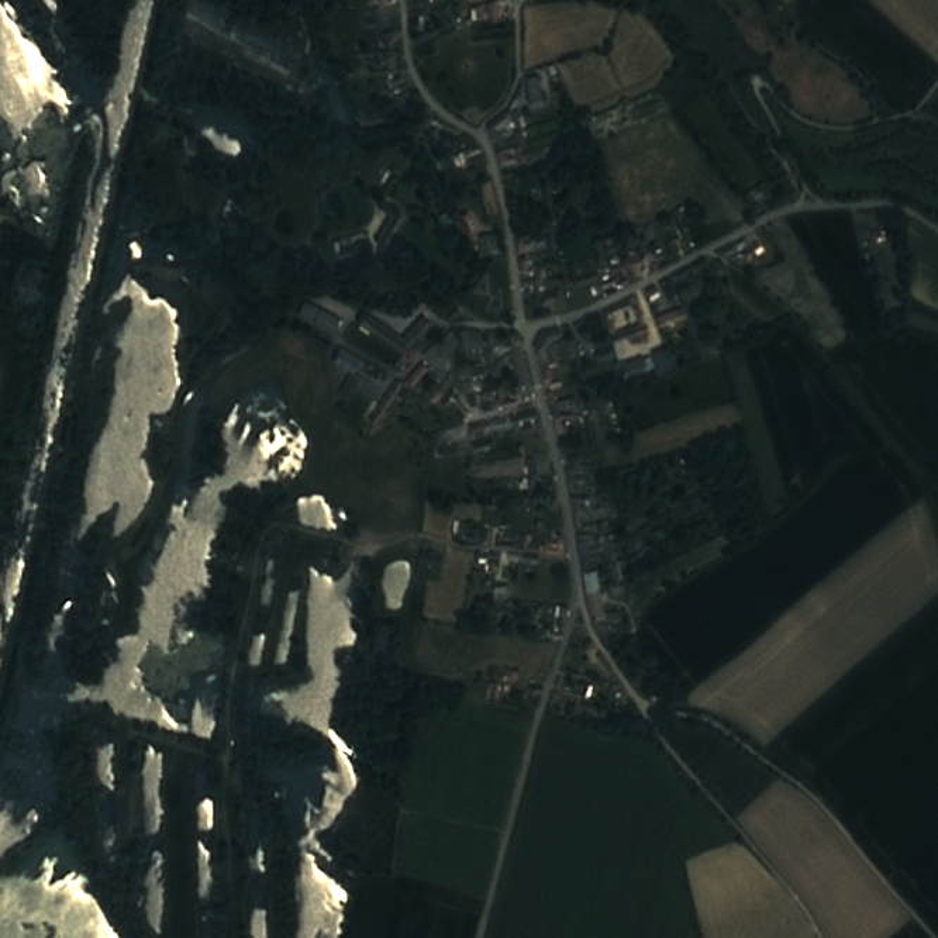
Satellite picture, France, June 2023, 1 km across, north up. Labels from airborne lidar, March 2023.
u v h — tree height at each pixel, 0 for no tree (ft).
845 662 0
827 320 0
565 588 0
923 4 0
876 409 0
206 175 73
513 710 0
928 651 0
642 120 0
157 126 22
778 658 0
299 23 0
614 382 21
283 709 0
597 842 0
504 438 0
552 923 0
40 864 0
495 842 0
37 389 29
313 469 0
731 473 44
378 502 0
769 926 0
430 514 0
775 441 0
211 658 0
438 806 0
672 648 0
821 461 0
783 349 0
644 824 0
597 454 0
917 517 0
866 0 0
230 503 81
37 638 69
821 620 0
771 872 0
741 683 0
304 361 0
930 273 0
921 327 0
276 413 0
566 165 78
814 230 0
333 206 72
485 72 0
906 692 0
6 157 0
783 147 52
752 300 0
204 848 0
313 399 0
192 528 0
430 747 0
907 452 0
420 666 0
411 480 0
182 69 29
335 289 47
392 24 0
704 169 0
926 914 0
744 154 0
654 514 23
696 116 0
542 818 0
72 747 39
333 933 0
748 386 0
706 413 0
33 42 0
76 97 0
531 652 0
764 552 0
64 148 0
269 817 23
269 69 0
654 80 0
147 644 0
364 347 0
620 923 0
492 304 0
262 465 0
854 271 0
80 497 26
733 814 24
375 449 0
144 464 0
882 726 0
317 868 0
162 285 0
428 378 44
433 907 0
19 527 28
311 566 0
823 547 0
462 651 0
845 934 0
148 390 0
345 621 0
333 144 104
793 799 0
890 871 0
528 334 0
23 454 21
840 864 0
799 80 0
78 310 0
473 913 0
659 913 0
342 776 0
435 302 55
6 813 0
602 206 62
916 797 0
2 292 29
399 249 90
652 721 25
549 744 0
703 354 0
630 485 36
